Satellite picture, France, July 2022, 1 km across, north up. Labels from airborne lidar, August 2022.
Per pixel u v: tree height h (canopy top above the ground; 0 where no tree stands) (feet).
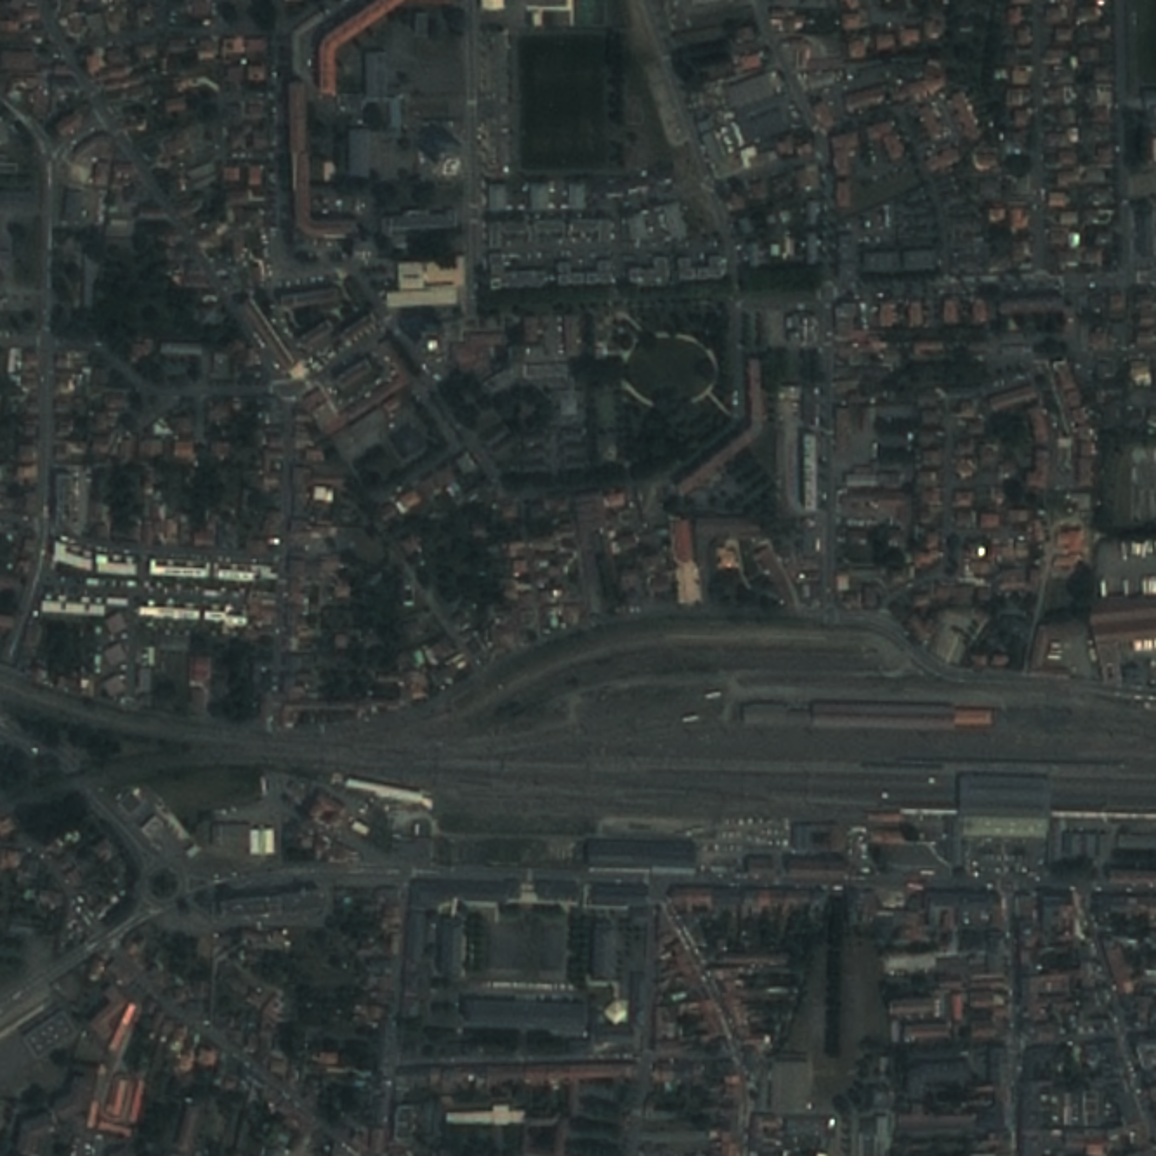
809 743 0
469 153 0
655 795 0
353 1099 53
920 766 0
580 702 0
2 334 0
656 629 0
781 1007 20
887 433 28
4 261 0
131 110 23
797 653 0
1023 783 0
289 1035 33
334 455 41
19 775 77
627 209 23
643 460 20
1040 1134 0
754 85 0
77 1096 0
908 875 0
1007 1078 0
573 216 25
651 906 0
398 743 0
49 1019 0
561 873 0
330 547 24
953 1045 22
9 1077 0
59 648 38
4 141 0
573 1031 0
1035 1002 0
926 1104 26
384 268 25
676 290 31
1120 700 0
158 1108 28
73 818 49
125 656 0
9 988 0
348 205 0
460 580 26
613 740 0
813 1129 0
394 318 0
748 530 0
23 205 0
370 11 0
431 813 0
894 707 0
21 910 19
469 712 0
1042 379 34
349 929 24
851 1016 0
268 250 0
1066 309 0
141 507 21
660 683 0
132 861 26
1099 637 0
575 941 31
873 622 0
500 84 0
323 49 0
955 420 0
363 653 19
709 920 28
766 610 44
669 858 0
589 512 0
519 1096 38
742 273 41
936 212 28
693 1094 28
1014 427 90
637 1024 0
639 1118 0
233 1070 0
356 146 0
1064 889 0
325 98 0
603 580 31
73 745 37
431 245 58
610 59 38
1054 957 26
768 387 61
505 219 30
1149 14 0
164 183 18
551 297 47
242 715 29
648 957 0
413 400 21
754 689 0
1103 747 0
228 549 0
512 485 37
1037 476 0
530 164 0
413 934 0
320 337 0
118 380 37
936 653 0
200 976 24
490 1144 30
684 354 0
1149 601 0
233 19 64
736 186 56
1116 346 0
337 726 0
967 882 0
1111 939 0
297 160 0
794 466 0
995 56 30
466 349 0
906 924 0
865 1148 0
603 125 0
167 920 0
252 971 20
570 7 0
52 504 0
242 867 0
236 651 33
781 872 0
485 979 0
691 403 39
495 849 0
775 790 0
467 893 0
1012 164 40
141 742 19
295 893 0
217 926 0
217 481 26
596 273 0
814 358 33
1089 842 0
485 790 0
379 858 0
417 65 0
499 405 54
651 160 0
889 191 0
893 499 0
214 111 50
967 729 0
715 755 0
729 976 0
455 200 0
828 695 0
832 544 0
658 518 0
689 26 0
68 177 0
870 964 0
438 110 0
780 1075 0
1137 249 0
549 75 0
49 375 0
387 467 0
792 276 41
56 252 24
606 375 54
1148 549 0
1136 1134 0
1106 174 32
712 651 0
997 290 47
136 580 20
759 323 28
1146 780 0
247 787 0
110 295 26
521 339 60
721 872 0
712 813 0
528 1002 0
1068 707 0
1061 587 0
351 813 0
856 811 0
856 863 0
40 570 0
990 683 0
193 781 0
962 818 0
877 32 25
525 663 0
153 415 0
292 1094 0
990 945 0
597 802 0
